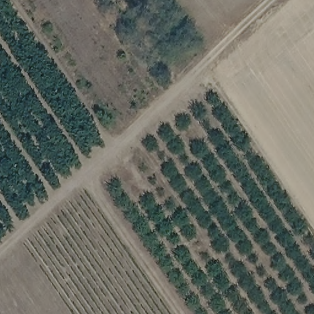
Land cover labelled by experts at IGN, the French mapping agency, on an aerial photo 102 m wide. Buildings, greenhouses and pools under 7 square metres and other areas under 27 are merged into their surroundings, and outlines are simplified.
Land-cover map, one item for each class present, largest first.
<instances>
[{"label":"deciduous trees","instance_id":"1","mask_svg":"<svg viewBox=\"0 0 314 314\"><path fill-rule=\"evenodd\" d=\"M21 18L17 16L16 10H13L9 0H0V34L9 44L15 58L25 66L29 77L36 83L50 108L58 115L61 124L80 147L83 155L88 158L93 146H104L99 132L85 104L78 99L63 72L58 69L52 58H49L47 52L44 53L37 48L38 42L34 40L33 32L28 31L26 25H20ZM141 17L145 18L148 26H155L153 31H148V37L151 38V43L158 50V54L163 56V60L150 67L148 72L155 76L157 83L166 90L172 83L169 67L177 64L175 61L180 54L204 43V38L197 32L195 22L189 18L184 7L178 5L177 0H147L145 10L137 9L136 6L130 9L126 5L125 10L118 11L114 31L117 36L119 33L129 36L134 34L136 22ZM0 113L15 131V135L45 179L56 189L67 182L71 167L81 166L74 148L67 142L52 115L47 113L32 88L28 86L21 74V67L11 63L10 56L0 45ZM206 101L212 104V114L229 132L234 145L244 152L251 169L258 175L261 184L265 186L267 193L274 199L292 228L287 231L283 227L280 218L250 178L244 164L239 161L222 132L211 128L210 121L206 119L204 105L200 102L191 103V112L200 121L210 141L215 145L218 155L227 163L234 178L242 184L251 204L269 224L271 231L276 234L277 242L286 249L288 258L294 261L314 293V267L305 259L293 239L309 224L302 213L292 205L291 197L277 182L269 164L253 151L248 132L238 124L235 117L227 104L218 97L217 92L206 93ZM96 113L104 129L107 130H112L117 120L109 110L102 107H99ZM48 197L38 175L32 172L25 157L11 140L9 132L0 123V239L6 232H11L12 228L20 227L23 220H26L28 205H37L39 202L44 204ZM159 136L166 142L168 150L178 155L180 162L183 163L188 156L185 155L183 141L174 134L169 124L164 123L159 125ZM190 151L202 159L211 178L220 185L221 190L226 191L234 211L227 210L222 197L215 193L202 174L199 164L195 162L185 167V173L199 189L202 196L199 199L186 186L172 159L169 158L161 166L170 186L185 202L186 206L183 209L174 204L173 197H168L163 204L158 205L152 193L146 191L140 196V201L147 216H141L135 202L129 199L121 188L118 178L109 180L107 189L114 206L120 207L125 220L132 224V231L139 235L148 253L155 258L157 265L167 276L168 282L177 288L186 307L194 314H207L201 307L199 298L190 291L182 274L174 267L164 245L157 239L163 235L170 243L178 242V235L173 229L177 226L186 239L194 238L195 228L190 224L186 211L193 213L200 226L207 229L212 248L217 253H224L232 274L238 280L232 285L222 269L221 262L212 259L207 251H200L201 259L206 262L207 272L204 274L191 259L190 251L185 245H179L173 250L175 258L182 262L186 274L191 276L194 285L201 289V293L216 314H276L265 301L264 293L256 286L247 267L242 261L234 259L227 240L212 222V216L217 217L239 253L247 255L250 262L258 260V256L255 255L247 235L235 223L239 218L254 235L255 242L270 256L272 269L287 283L286 288H281L272 277L266 278L265 281L272 301L280 307L282 314H299L292 302L287 299V294L297 296L299 303L307 301L301 282L283 260L282 254L278 253L275 245L270 242L269 234L258 226L253 213L233 189L223 168L202 139L190 140Z\"/></svg>","mask_w":314,"mask_h":314},{"label":"agricultural land","instance_id":"2","mask_svg":"<svg viewBox=\"0 0 314 314\"><path fill-rule=\"evenodd\" d=\"M13 10H16L17 16L21 18L20 25H26L28 31L33 32L34 40L38 42L37 48L44 53L47 52L49 58H52L58 69L63 72L78 99L85 104L99 132L104 129L96 113L99 107H102L109 110L117 120L112 130H107L108 134L114 136L123 134L134 123L139 109L147 108L148 104L166 90L157 83L155 76L148 72L150 67L163 60V56L158 54V50L151 43V38L148 37V31H153L155 26H148L145 18L141 17L136 22L134 34L129 36L119 33L117 36L114 31L118 11L125 10L126 5L130 9L136 6L137 9L145 10L147 0H9ZM264 0H177L178 5L184 7L189 18L195 22L197 32L204 38V43L180 54L175 61L177 64L169 67L172 83L182 80L209 50ZM222 60L216 69L218 81L229 102L237 109L238 114L235 117L238 124L248 132L253 151L269 164L277 182L291 197L292 205L302 213L309 224L314 229V0H276L218 55ZM21 239L7 251L4 258H0V314H71L61 302L56 289L50 286L47 278L39 270L38 259L31 258V254L23 248Z\"/></svg>","mask_w":314,"mask_h":314},{"label":"herbaceous vegetation","instance_id":"3","mask_svg":"<svg viewBox=\"0 0 314 314\"><path fill-rule=\"evenodd\" d=\"M0 45L10 56L11 63L21 67V74L28 86L32 88L47 113L52 115L67 142L74 148L81 166H86L88 158L83 155L80 147L61 124L58 115L50 108L36 83L29 77L25 66L15 58L9 44L0 34ZM201 90L206 93L217 92L218 97L227 104L235 117L238 114L237 109L229 102L218 81L213 86L211 83H200ZM200 102L204 105L206 119L210 121L211 128L222 132L239 161L244 164L250 178L280 218L283 227L287 231L292 228L274 199L267 193L265 186L261 184L258 175L251 169L244 152L234 145L229 132L212 114V104L206 101V94L199 93L194 98L189 92H180L167 105L169 113L162 119L164 123L169 124L174 134L183 141L185 155L188 156L183 163L180 162L178 155L168 150L166 142L159 136V125L157 121H151L144 130L147 134L145 139H142L136 148L128 145L118 156L109 159L105 166L107 173H103L101 177V185L107 189L109 180L118 178L121 188L129 199L135 202L141 216H147L140 201V196L146 191L152 193L158 205L163 204L168 197H173L174 204L183 209L186 206L185 202L170 186L161 166L169 158L172 159L186 186L199 199L202 196L199 189L185 173V167L195 162L199 164L202 174L215 193L222 197L227 210L234 211L226 191L221 190L220 185L211 178L202 159L190 151V140L202 139L223 168L233 189L253 213L258 226L269 234L270 242L275 245L278 253L282 254L283 260L301 282L307 301L299 303L297 296L287 294V299L292 302L299 314H314V293L294 261L288 258L286 249L277 242L276 234L271 231L269 224L251 204L242 184L234 178L227 163L218 155L215 145L210 141L200 121L191 112V103ZM0 123L9 132L11 140L25 157L32 172L38 175L48 197L56 193V189L45 179L15 135V131L0 113ZM190 224L195 228L194 238L186 239L177 226L173 229L178 235V242L170 243L163 235L157 239L164 245L174 267L182 274L190 291L199 298L201 307L207 314H216L201 293V289L194 285L191 276L186 274L182 262L175 258L173 250L179 245H185L190 251L191 259L204 274L207 272L206 262L201 259L200 251H207L212 259L221 262L222 269L232 285L238 280L232 274L224 253H217L212 248L207 229L200 226L193 213L186 211ZM212 222L227 240L234 259L242 261L247 267L256 286L264 293L265 301L276 314H282L280 307L272 301L265 281L266 278L272 277L281 288H286L287 283L272 269L270 256L255 242L254 235L239 218L235 223L247 235L255 255L258 256V260L250 262L247 255L239 253L217 217L212 216ZM293 239L305 259L314 267V229L309 224Z\"/></svg>","mask_w":314,"mask_h":314},{"label":"vineyard","instance_id":"4","mask_svg":"<svg viewBox=\"0 0 314 314\"><path fill-rule=\"evenodd\" d=\"M23 248L31 254V258L38 259L39 270L47 278L50 286L56 289L61 302L71 314H173L104 215L97 201L86 189L72 190L69 196L61 200L47 217L42 218L21 239Z\"/></svg>","mask_w":314,"mask_h":314},{"label":"pervious surface","instance_id":"5","mask_svg":"<svg viewBox=\"0 0 314 314\"><path fill-rule=\"evenodd\" d=\"M276 0H264L209 50L182 80L172 83L166 90L148 104L147 108L139 109L134 123L123 134L114 136L108 134L107 130L104 129L99 132L104 146H93L88 158L86 166H81L71 167L67 182L56 189V193L48 197L44 204L39 202L37 205H28L26 220H23L20 227L12 228L11 232H6L0 239V258H4L7 251L21 239L42 218L47 217L61 200L69 196L72 190L86 189L97 201L104 215L173 314H194L186 307L177 288L168 282L167 276L157 265L155 258L148 253L139 235L132 231V224L125 220L120 207L114 206L107 189L101 185V177L103 173H107L105 166L109 159L118 156L128 145L136 148L142 139H145L147 134L144 130L151 121H157L159 125L164 123L162 119L169 113L167 105L180 92H189L194 98L199 93L206 94V93L201 90L200 83H211L213 86L218 81L216 69L222 60L218 55Z\"/></svg>","mask_w":314,"mask_h":314}]
</instances>
